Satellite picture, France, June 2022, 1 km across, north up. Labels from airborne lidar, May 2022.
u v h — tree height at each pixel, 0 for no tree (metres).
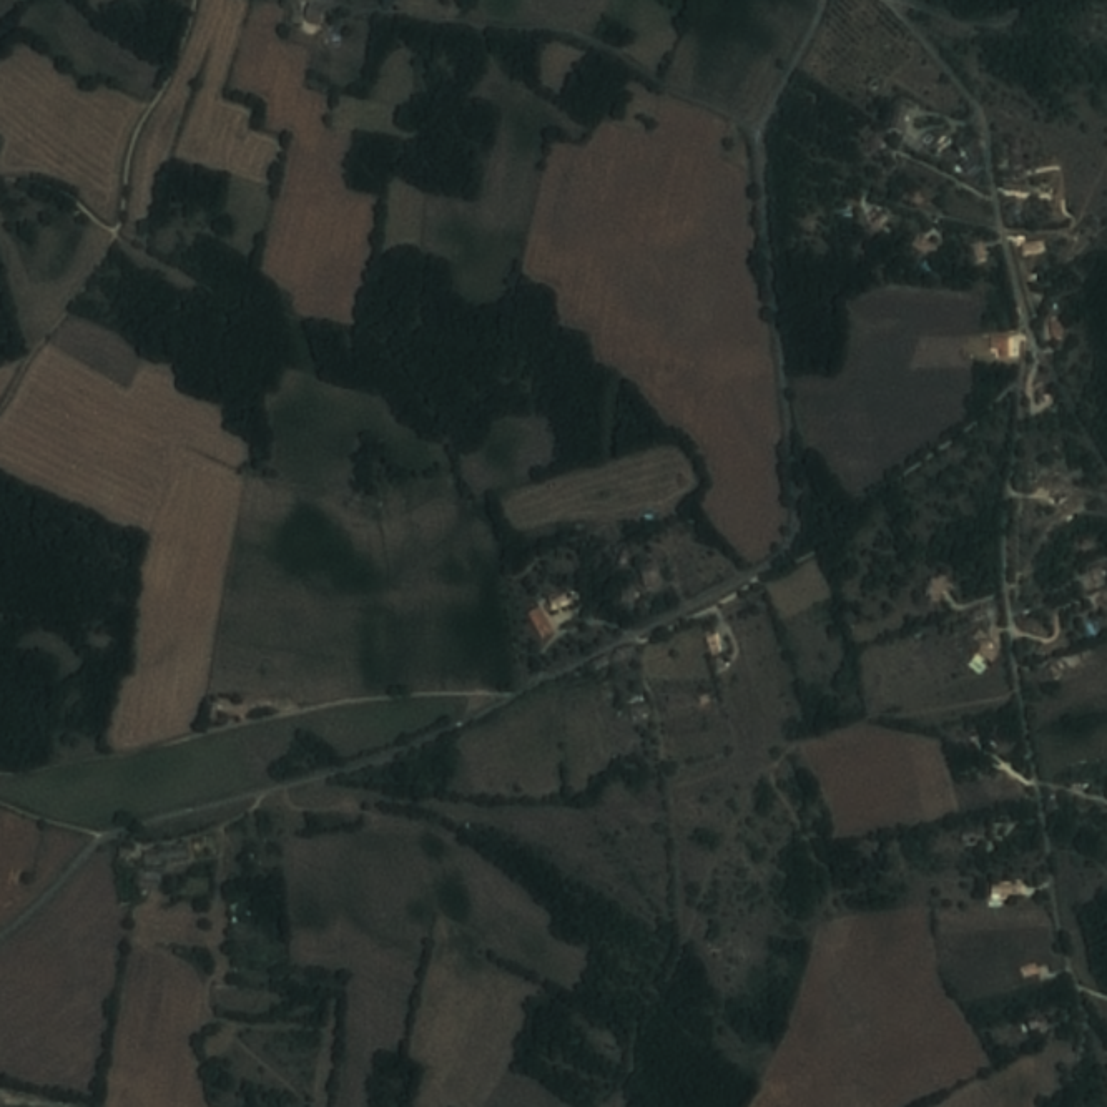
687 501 11
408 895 0
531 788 0
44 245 0
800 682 7
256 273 10
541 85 10
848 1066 0
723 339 0
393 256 14
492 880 0
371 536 0
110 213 0
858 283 9
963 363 0
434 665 0
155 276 7
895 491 14
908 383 0
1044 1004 7
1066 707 0
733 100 0
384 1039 0
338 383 13
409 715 0
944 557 7
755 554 0
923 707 0
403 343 12
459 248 0
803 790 11
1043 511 6
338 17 8
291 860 0
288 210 0
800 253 7
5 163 0
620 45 8
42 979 0
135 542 12
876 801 0
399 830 0
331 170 0
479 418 13
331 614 0
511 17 0
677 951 10
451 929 0
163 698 0
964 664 0
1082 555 9
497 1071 0
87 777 0
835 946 0
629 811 0
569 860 0
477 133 10
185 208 8
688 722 0
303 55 0
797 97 8
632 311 0
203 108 0
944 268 7
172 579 0
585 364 11
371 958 0
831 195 7
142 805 0
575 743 0
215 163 0
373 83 6
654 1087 7
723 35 0
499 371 6
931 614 6
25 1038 0
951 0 10
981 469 6
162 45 10
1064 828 8
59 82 0
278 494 0
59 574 9
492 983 0
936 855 0
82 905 0
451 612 0
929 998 0
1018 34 8
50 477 0
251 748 0
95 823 0
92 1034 0
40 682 9
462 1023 0
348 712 0
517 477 0
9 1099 0
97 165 0
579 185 0
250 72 0
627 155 0
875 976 0
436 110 13
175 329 10
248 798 0
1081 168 0
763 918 0
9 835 0
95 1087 9
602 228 0
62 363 0
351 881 0
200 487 0
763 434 0
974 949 0
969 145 0
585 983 10
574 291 0
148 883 0
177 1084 0
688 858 0
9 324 8
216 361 11
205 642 0
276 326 10
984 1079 10
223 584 0
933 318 0
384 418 0
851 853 9
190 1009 0
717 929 8
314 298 0
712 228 0
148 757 0
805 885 12
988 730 6
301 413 0
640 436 8
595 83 10
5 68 0
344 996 8
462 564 0
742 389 0
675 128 0
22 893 0
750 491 0
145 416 0
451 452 12
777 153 8
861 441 0
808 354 11
